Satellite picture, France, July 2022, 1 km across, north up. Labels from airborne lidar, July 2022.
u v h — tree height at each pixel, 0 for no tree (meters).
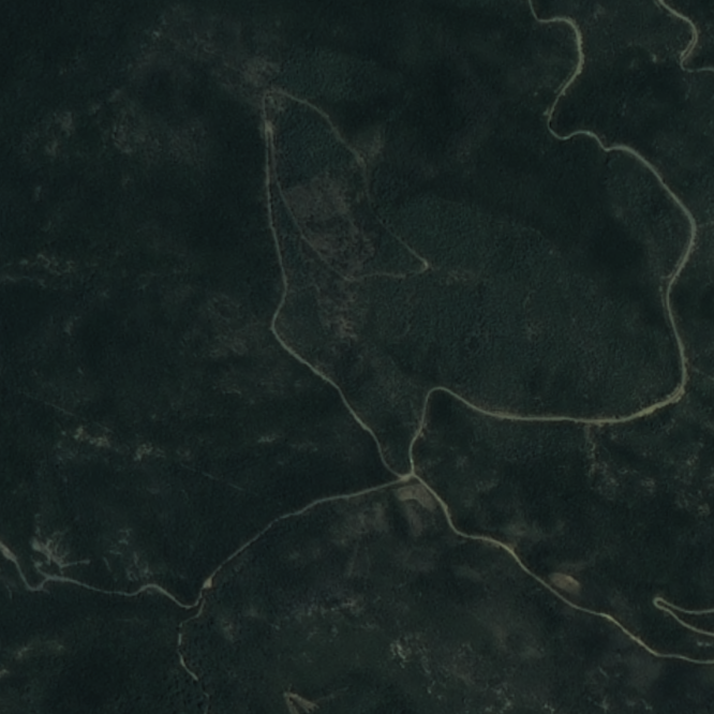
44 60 8
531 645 0
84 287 11
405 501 0
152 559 6
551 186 5
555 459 8
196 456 6
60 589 5
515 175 6
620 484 6
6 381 8
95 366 6
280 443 6
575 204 6
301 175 6
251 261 7
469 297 8
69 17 6
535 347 5
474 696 0
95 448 7
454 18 7
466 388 6
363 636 0
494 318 7
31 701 8
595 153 6
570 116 7
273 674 0
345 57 6
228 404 6
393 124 7
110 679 7
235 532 7
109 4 6
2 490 8
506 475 9
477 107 11
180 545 6
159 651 6
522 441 7
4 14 6
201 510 6
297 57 5
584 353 8
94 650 7
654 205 6
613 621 0
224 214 7
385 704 6
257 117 6
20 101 6
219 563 6
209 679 8
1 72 6
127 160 7
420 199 7
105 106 6
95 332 6
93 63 6
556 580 0
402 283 9
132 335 6
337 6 7
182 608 6
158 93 7
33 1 8
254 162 5
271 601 6
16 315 8
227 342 0
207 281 9
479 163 10
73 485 7
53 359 6
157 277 6
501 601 0
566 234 5
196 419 6
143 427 6
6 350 7
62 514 6
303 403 7
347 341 8
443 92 7
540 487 9
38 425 6
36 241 6
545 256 8
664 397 13
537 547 6
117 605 7
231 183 6
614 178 7
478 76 5
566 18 0
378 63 7
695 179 6
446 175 7
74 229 6
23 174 9
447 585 7
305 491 6
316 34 6
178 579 8
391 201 6
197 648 6
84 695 7
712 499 6
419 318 8
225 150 6
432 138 8
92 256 6
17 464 7
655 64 9
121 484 5
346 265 7
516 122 5
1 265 6
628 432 7
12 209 6
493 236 7
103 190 6
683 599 5
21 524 7
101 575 6
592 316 5
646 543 6
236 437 7
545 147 6
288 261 6
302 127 7
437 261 6
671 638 6
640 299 6
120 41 6
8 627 5
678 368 6
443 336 6
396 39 6
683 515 7
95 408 6
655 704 6
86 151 9
